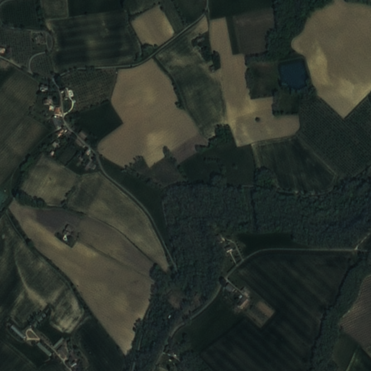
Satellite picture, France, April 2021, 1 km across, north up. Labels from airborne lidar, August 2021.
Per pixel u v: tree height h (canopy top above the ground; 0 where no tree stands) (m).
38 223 0
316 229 12
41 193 0
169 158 14
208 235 13
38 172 0
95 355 0
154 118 0
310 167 0
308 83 29
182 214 18
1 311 0
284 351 0
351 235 18
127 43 0
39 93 10
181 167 14
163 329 12
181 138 0
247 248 0
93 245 0
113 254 0
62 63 0
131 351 9
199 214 14
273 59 21
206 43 0
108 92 0
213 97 0
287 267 0
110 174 0
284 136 0
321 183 0
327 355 17
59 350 0
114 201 0
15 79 0
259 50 0
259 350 0
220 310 0
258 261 0
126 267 0
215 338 0
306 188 0
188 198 14
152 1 0
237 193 22
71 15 0
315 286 0
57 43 0
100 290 0
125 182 0
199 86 0
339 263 0
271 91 0
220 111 0
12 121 0
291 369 0
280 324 0
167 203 13
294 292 0
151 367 17
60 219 0
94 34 0
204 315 0
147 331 19
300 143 0
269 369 0
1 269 0
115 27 0
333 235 20
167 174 0
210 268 12
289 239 0
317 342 14
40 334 0
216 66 0
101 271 0
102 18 0
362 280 18
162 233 0
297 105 0
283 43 28
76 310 0
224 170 12
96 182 0
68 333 0
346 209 6
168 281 17
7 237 0
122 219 0
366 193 7
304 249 0
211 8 0
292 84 0
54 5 0
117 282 0
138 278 0
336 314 20
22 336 0
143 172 0
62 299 0
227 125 7
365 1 14
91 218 0
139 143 0
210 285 16
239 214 22
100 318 0
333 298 0
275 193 20
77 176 0
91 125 0
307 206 13
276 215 20
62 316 0
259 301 0
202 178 0
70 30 0
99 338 0
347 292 23
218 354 0
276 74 0
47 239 0
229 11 0
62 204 11
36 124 0
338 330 22
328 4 20
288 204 22
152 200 0
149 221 0
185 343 15
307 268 0
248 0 0
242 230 14
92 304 0
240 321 0
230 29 0
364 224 19
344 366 0
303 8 24
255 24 0
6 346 0
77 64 0
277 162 0
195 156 0
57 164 0
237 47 0
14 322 0
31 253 0
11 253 0
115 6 0
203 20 0
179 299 0
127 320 0
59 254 0
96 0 0
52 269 0
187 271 18
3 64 0
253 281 0
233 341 0
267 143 0
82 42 0
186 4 0
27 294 0
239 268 0
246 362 0
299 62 0
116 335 0
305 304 0
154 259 0
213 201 20
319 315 0
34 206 29
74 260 0
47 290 0
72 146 12
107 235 0
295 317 0
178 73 0
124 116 0
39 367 0
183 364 19
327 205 10
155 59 0
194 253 19
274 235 0
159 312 11
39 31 0
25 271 0
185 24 10
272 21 0
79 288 0
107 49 0
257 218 16
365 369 0
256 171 6
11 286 0
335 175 0
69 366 11
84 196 0
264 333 0
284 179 0
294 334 0
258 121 10
